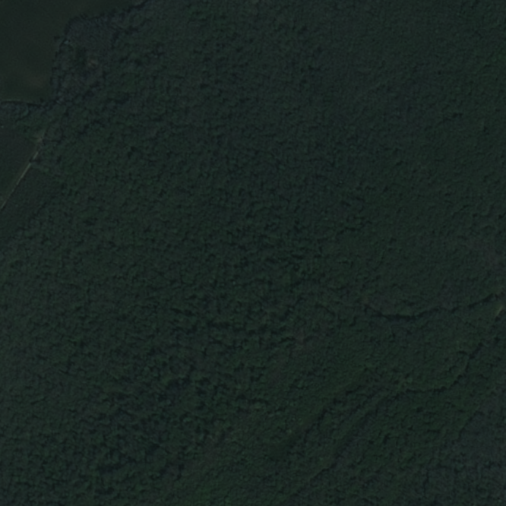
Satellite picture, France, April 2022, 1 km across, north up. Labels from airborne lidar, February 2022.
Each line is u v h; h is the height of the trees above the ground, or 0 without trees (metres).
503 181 25
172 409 27
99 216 24
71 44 11
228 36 22
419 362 29
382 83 31
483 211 25
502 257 29
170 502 22
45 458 16
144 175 22
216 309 32
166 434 27
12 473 15
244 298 27
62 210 21
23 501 26
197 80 28
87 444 21
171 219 22
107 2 0
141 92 25
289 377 25
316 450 24
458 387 23
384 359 27
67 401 22
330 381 26
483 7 25
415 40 21
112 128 27
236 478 21
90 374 19
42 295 23
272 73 18
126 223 23
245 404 22
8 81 0
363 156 27
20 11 0
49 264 23
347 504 28
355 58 20
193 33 25
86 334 22
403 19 24
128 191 24
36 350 24
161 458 25
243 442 20
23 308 26
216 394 28
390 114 27
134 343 20
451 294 27
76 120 25
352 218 25
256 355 26
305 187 25
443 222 23
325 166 26
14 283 23
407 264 24
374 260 25
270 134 22
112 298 22
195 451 21
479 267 26
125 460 26
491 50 27
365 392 20
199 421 21
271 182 26
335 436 22
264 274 26
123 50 24
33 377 23
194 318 24
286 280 25
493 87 23
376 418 25
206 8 26
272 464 20
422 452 22
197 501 11
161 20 21
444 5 22
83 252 26
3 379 20
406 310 29
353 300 26
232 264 28
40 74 0
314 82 29
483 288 21
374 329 26
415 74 22
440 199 25
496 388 24
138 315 22
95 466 24
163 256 24
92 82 30
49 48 0
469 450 23
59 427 21
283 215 30
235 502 16
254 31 21
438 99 25
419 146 22
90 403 26
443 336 24
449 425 24
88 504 28
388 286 28
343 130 25
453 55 23
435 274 27
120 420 29
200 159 23
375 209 26
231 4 21
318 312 27
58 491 17
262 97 24
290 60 22
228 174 26
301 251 25
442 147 22
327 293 32
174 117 23
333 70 22
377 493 31
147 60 25
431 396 23
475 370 26
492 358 25
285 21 27
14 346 26
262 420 19
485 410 22
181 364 28
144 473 26
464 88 21
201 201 24
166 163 24
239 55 20
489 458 25
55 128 24
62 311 23
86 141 26
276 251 25
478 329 23
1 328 27
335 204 26
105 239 23
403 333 28
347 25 23
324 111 28
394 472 29
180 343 24
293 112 24
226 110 30
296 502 25
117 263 22
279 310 24
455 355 27
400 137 25
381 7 23
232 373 25
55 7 0
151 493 23
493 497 23
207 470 20
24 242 21
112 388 24
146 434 28
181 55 21
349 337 25
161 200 20
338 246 28
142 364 25
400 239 26
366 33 19
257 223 25
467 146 24
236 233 26
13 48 0
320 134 20
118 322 24
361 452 21
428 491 23
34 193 9
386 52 23
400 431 28
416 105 22
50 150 22
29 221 8
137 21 24
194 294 23
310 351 30
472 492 16
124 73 21
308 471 25
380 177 26
